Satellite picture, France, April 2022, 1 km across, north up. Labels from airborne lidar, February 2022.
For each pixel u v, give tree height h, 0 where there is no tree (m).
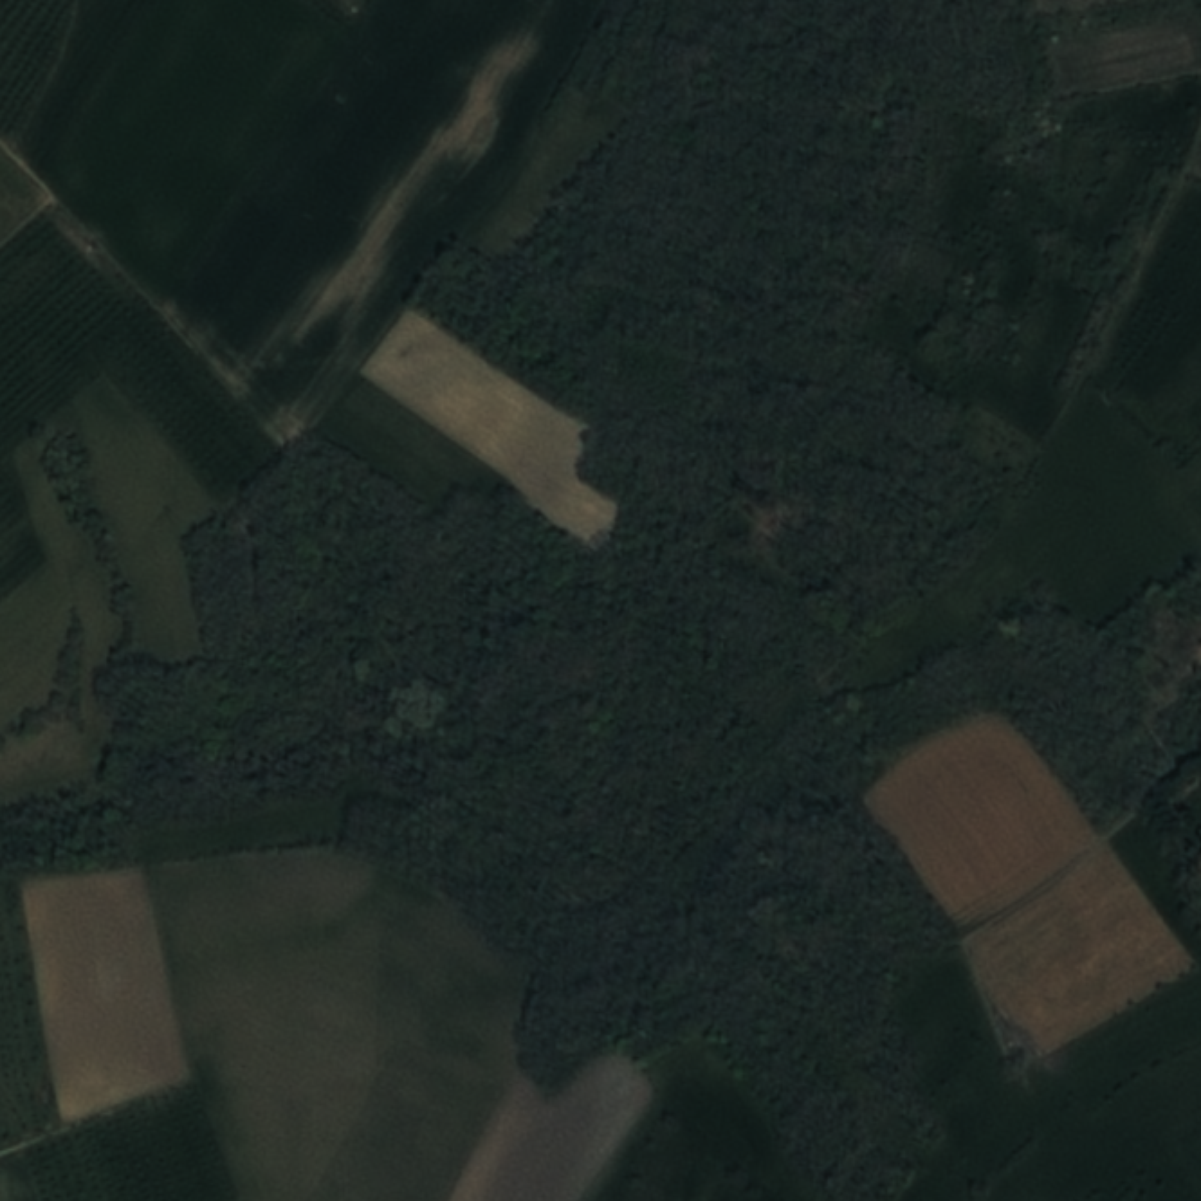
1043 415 0
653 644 24
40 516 0
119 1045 0
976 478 21
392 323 0
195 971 0
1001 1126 0
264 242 0
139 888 0
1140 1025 0
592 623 15
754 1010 23
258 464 0
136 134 0
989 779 0
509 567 22
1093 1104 0
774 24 27
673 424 23
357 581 27
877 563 28
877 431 25
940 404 18
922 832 0
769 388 12
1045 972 0
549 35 0
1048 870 0
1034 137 10
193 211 0
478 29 0
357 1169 0
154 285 0
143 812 25
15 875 15
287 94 0
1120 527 0
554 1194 0
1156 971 0
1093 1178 0
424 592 16
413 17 0
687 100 24
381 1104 0
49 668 0
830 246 23
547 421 0
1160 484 0
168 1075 0
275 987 0
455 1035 0
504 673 15
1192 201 0
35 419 0
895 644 0
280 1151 0
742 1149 0
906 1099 22
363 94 0
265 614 21
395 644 20
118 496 0
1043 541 0
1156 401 0
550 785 17
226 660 10
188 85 0
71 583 0
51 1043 0
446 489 0
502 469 0
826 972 22
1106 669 23
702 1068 0
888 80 25
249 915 0
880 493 27
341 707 23
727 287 28
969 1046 0
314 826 0
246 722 13
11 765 0
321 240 0
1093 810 17
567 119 0
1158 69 0
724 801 15
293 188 0
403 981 0
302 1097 0
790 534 24
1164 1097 0
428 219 0
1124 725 21
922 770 0
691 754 18
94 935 0
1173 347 0
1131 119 0
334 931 0
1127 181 0
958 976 0
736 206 25
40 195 0
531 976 13
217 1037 0
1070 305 0
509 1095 0
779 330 24
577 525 0
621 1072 0
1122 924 0
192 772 25
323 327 0
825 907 23
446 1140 0
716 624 22
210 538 13
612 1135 0
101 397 0
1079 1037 0
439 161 0
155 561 0
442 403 0
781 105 25
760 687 23
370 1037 0
